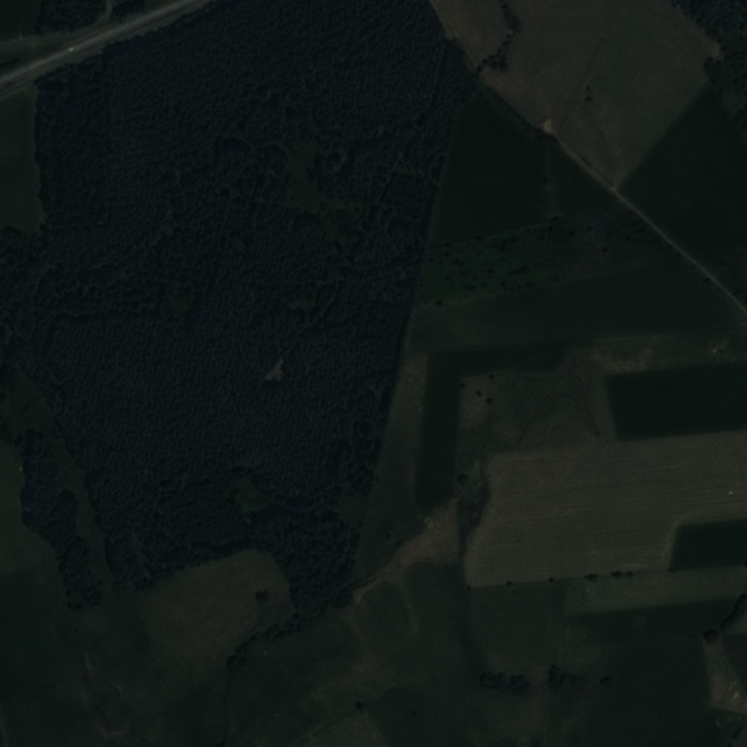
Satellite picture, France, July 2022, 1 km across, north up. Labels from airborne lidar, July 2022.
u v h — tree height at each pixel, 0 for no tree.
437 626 0
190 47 24
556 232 7
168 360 28
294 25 26
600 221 0
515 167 0
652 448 0
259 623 0
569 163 0
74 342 26
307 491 26
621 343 0
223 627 0
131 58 27
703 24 8
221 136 6
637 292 0
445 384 0
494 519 0
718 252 0
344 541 27
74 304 15
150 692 0
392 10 31
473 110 0
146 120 27
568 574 0
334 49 30
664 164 0
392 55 26
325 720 0
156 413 24
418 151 20
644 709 0
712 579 0
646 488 0
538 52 0
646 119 0
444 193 0
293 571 9
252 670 0
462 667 0
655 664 0
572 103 0
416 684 0
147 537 28
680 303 0
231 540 12
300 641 0
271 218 22
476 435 0
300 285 27
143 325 26
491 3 0
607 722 0
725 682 0
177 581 0
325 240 27
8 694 0
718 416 0
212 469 23
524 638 0
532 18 0
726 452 0
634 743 0
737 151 0
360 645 0
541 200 0
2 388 7
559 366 0
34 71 0
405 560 0
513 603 0
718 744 0
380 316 9
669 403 0
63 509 29
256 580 0
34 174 0
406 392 0
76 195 30
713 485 0
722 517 0
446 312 0
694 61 0
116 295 16
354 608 0
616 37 0
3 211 0
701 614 0
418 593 0
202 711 0
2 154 0
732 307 0
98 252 18
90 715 0
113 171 21
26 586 0
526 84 0
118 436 24
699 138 0
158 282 6
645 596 0
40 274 23
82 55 0
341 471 27
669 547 0
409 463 0
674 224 0
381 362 13
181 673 0
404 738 0
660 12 0
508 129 0
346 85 28
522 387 0
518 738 0
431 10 24
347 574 26
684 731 0
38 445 31
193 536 13
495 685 15
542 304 0
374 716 0
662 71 0
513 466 0
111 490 28
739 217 0
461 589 0
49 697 0
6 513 0
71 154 31
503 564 0
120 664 0
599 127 0
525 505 0
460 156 0
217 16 26
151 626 0
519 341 0
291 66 26
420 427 0
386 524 0
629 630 0
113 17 8
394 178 10
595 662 0
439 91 27
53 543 22
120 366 21
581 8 0
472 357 0
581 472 0
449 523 0
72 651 0
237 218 13
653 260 0
